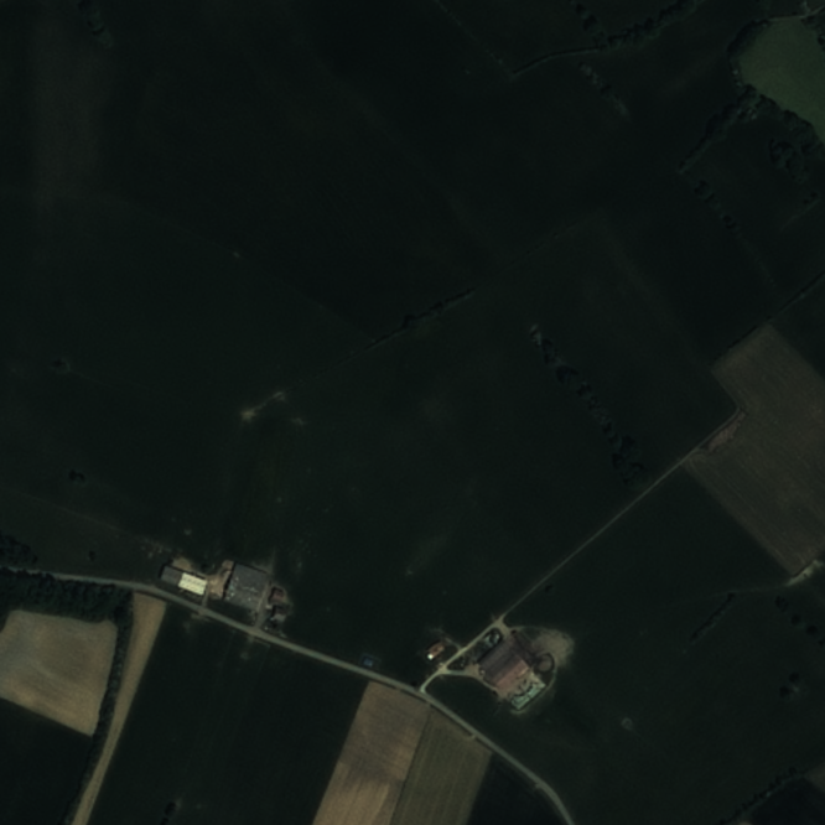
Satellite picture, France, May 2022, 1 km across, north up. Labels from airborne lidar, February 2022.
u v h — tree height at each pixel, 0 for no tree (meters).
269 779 0
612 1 0
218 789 0
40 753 0
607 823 0
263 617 0
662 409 0
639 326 0
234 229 0
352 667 0
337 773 0
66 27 0
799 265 0
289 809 0
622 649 0
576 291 0
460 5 0
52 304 0
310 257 0
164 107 0
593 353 0
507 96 0
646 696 0
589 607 0
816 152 19
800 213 0
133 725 0
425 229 0
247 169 0
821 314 0
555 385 0
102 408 0
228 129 0
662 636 0
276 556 0
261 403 0
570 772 0
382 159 0
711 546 0
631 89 0
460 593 0
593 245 0
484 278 0
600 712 0
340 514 0
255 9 0
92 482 0
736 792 0
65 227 0
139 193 0
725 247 0
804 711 0
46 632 0
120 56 0
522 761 0
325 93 0
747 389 0
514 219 0
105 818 0
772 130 0
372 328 0
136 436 0
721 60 0
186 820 0
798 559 0
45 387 0
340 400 0
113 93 0
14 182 0
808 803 0
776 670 0
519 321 0
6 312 0
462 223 0
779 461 0
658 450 0
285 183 0
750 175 0
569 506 0
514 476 0
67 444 0
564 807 0
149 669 0
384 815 0
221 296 0
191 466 0
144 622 0
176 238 0
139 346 0
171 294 0
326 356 0
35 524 0
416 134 0
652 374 0
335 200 0
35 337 0
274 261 0
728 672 0
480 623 0
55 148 0
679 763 0
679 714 0
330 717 0
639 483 15
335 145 0
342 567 0
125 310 0
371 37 0
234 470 0
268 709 0
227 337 0
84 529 0
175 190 0
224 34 0
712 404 0
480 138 0
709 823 0
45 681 0
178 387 0
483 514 0
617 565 0
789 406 0
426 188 0
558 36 0
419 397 0
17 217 0
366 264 0
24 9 0
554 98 0
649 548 0
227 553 0
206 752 0
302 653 0
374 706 0
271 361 0
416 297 0
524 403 0
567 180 0
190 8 0
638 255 0
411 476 0
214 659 0
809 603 0
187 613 0
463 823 0
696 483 0
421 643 0
